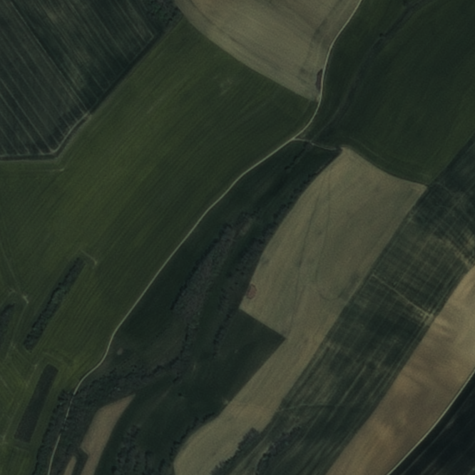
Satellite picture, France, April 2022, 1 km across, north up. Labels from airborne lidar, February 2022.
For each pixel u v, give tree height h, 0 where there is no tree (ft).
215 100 0
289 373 0
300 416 0
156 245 0
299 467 0
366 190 0
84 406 39
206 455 0
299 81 0
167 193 0
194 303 94
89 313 0
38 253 0
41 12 0
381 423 0
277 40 0
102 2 0
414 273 0
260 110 0
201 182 0
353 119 0
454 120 0
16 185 0
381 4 0
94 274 0
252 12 0
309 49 0
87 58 0
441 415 0
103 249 0
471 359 0
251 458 0
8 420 0
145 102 0
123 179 0
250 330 0
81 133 0
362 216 0
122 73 0
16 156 0
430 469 0
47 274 0
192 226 0
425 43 0
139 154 0
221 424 0
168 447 0
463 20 0
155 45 0
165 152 0
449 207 0
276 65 0
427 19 0
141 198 0
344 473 0
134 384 57
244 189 0
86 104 0
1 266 0
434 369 0
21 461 0
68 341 0
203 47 0
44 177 0
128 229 0
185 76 0
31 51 0
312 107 0
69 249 0
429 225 0
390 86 0
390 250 0
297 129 0
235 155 0
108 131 0
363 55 0
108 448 0
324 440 0
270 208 0
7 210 0
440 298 0
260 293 0
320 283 0
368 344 0
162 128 0
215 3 0
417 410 0
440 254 0
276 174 0
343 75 0
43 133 0
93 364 0
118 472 58
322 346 0
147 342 0
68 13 0
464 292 0
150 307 0
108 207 0
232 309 0
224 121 0
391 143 0
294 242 0
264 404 0
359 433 0
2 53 0
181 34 0
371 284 0
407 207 0
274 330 0
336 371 0
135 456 61
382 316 0
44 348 0
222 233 0
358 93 0
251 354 0
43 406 0
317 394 0
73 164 0
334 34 0
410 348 0
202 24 0
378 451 0
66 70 0
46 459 72
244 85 0
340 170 0
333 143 0
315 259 0
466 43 0
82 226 0
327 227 0
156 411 0
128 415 0
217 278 26
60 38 0
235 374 0
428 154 0
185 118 0
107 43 0
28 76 0
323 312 0
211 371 0
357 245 0
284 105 0
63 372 0
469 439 0
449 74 0
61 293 44
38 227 0
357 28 0
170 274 0
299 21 0
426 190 0
